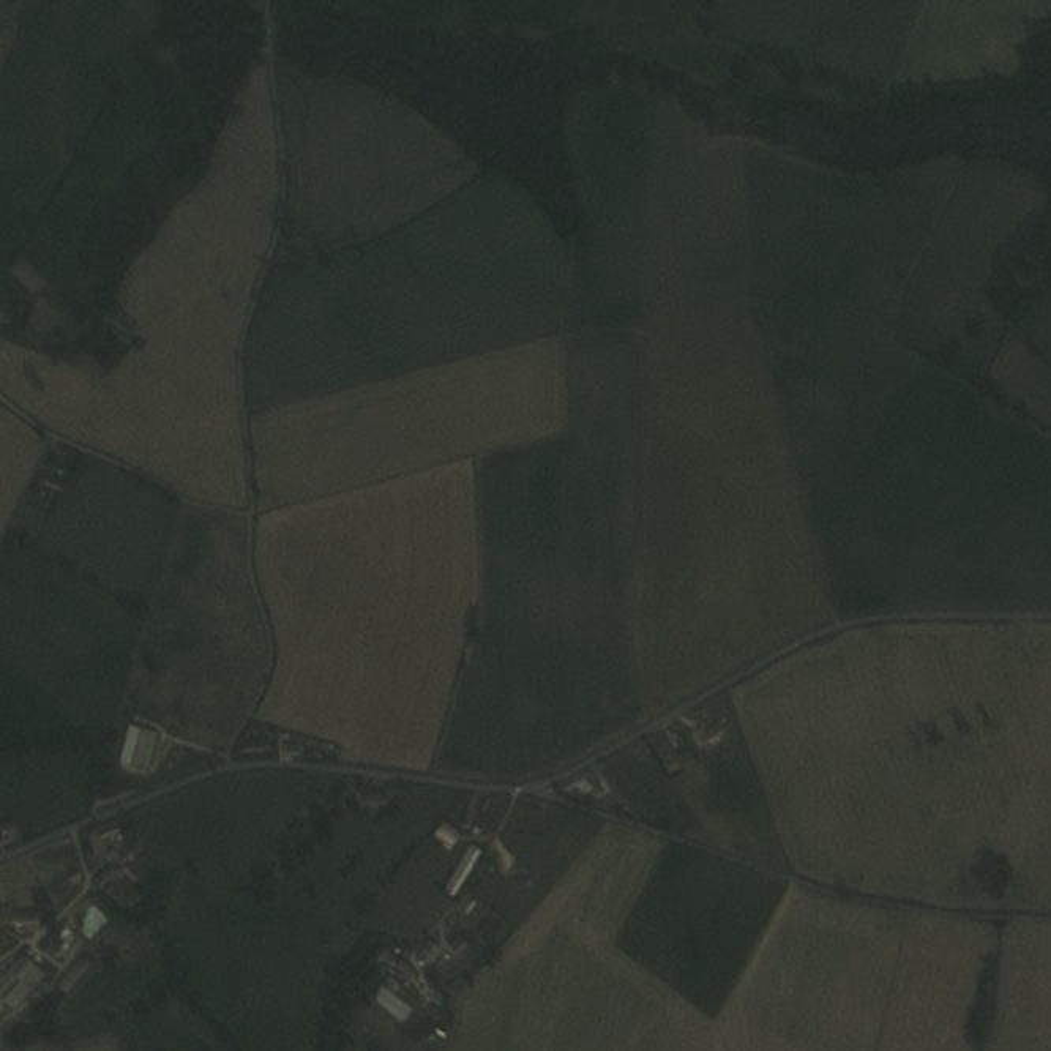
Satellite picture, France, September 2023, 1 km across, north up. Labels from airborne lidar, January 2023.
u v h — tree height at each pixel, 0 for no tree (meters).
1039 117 30
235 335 0
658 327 0
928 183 0
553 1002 0
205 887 0
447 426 0
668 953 0
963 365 0
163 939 12
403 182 0
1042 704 0
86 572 0
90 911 0
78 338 0
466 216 0
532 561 0
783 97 0
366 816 0
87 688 0
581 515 0
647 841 0
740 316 0
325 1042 6
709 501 0
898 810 0
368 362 0
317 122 0
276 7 0
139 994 0
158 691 0
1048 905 0
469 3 0
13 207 0
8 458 0
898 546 0
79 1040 0
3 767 0
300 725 0
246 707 0
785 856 0
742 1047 0
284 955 0
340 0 0
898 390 0
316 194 0
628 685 0
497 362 0
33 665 0
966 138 16
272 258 17
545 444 0
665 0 0
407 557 0
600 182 0
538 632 0
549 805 0
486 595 0
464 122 22
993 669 0
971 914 0
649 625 0
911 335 0
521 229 0
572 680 0
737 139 0
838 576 0
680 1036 0
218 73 19
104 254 28
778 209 0
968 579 0
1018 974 0
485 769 0
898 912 0
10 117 0
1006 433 0
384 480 0
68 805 0
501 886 0
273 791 0
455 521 0
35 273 0
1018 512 0
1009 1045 0
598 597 0
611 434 0
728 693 0
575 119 0
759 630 0
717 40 0
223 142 0
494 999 0
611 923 0
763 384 0
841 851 0
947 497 0
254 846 0
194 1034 0
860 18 0
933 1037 0
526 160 23
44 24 0
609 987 0
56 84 0
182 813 0
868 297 0
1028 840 0
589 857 0
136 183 22
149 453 0
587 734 0
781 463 0
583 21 0
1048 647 0
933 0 0
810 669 0
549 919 0
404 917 0
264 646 0
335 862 0
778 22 0
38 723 0
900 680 0
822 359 0
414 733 0
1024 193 0
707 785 0
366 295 0
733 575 0
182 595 0
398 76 23
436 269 0
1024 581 0
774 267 0
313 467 0
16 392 0
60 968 0
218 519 0
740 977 0
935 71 0
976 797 0
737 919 0
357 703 0
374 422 0
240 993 0
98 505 0
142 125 0
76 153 17
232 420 0
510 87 14
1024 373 0
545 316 0
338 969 19
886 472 0
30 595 0
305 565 0
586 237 0
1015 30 0
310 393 0
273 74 0
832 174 0
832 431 0
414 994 0
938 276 0
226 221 0
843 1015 0
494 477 0
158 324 0
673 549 0
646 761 0
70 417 0
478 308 0
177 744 0
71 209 0
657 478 0
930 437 0
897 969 0
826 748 0
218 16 17
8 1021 0
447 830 0
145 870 0
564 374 0
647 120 0
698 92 22
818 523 0
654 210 0
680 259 0
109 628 0
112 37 0
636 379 0
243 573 0
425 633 0
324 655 0
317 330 0
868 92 12
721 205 0
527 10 0
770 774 0
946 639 0
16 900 0
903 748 0
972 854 0
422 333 0
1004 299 20
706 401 0
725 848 0
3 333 7
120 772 0
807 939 0
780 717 0
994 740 0
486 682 0
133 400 0
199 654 0
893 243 0
